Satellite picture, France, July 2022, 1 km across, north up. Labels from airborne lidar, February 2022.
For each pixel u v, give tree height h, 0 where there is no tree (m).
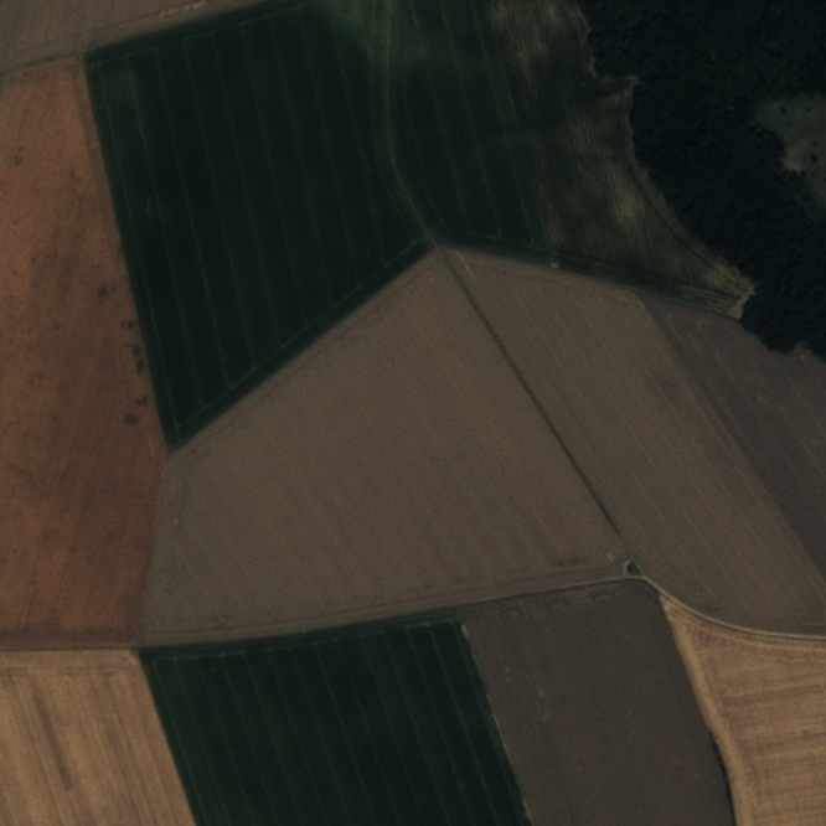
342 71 0
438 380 0
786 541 0
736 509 0
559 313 0
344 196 0
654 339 0
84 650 0
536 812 0
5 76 0
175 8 0
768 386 0
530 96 0
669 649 0
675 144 25
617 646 0
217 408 0
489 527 0
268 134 0
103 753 0
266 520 0
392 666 0
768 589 0
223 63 0
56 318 0
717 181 22
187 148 0
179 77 0
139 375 0
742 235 19
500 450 0
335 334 0
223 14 0
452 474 0
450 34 0
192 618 0
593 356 0
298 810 0
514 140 0
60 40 0
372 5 0
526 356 0
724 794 0
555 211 0
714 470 0
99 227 0
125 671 0
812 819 0
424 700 0
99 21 0
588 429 0
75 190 0
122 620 0
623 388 0
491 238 0
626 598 0
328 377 0
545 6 0
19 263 0
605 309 0
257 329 0
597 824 0
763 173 24
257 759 0
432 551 0
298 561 0
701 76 21
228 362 0
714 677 0
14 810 0
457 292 0
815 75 33
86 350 0
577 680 0
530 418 0
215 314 0
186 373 0
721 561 0
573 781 0
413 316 0
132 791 0
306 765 0
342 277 0
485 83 0
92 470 0
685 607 0
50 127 0
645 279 0
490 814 0
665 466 0
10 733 0
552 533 0
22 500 0
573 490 0
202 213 0
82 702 0
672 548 0
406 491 0
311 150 0
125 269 0
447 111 0
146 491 0
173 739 0
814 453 0
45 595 0
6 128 0
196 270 0
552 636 0
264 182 0
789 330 21
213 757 0
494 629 0
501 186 0
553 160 0
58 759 0
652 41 25
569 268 0
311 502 0
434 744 0
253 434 0
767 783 0
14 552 0
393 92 0
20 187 0
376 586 0
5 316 0
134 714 0
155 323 0
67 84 0
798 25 27
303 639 0
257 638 0
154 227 0
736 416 0
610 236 0
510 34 0
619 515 0
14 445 0
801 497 0
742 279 0
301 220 0
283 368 0
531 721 0
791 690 0
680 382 0
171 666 0
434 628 0
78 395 0
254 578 0
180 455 0
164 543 0
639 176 0
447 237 0
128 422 0
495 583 0
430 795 0
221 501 0
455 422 0
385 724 0
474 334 0
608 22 18
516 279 0
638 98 16
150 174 0
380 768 0
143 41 0
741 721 0
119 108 0
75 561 0
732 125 27
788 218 24
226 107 0
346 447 0
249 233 0
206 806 0
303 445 0
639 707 0
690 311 0
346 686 0
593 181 0
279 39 0
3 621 0
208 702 0
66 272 0
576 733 0
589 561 0
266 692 0
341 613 0
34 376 0
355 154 0
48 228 0
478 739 0
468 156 0
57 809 0
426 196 0
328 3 0
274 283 0
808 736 0
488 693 0
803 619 0
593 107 0
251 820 0
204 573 0
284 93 0
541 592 0
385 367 0
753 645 0
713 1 20
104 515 0
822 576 0
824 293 23
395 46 0
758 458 0
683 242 0
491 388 0
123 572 0
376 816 0
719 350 0
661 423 0
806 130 0
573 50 0
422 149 0
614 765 0
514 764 0
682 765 0
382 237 0
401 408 0
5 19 0
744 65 26
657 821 0
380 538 0
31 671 0
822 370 0
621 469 0
